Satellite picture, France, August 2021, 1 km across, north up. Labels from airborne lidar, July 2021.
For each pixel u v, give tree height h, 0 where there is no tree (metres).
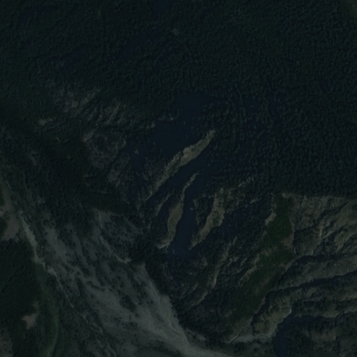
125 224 7
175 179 8
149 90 20
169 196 6
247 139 20
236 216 10
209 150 16
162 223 8
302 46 18
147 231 12
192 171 11
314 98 13
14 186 7
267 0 15
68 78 11
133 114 10
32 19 11
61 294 6
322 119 12
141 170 6
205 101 20
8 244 15
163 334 0
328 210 8
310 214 8
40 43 14
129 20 18
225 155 14
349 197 9
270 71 11
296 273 8
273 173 11
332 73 23
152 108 16
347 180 10
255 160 16
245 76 20
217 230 7
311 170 6
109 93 9
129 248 7
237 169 26
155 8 15
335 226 11
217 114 19
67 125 16
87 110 7
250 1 14
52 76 10
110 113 8
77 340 7
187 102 18
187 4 14
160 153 11
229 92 26
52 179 15
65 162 24
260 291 8
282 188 8
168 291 9
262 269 10
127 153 11
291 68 12
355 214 0
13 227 0
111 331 0
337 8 16
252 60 14
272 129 13
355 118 8
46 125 9
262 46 15
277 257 15
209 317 6
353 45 22
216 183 10
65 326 7
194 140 14
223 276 9
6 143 15
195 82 25
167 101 19
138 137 12
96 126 12
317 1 23
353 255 0
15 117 14
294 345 7
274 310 8
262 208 13
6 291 23
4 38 16
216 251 7
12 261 23
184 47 17
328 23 31
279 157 16
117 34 15
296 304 9
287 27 13
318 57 21
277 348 7
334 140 6
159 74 24
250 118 26
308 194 10
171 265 9
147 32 18
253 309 9
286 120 16
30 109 11
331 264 6
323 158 14
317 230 8
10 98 11
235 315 10
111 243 14
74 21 20
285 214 10
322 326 8
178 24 12
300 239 14
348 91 14
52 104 9
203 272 9
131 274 7
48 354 0
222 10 10
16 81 12
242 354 7
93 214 8
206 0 11
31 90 8
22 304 27
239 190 8
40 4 21
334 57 22
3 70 13
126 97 16
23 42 9
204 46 13
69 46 18
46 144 17
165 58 12
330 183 9
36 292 22
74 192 8
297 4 21
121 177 8
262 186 20
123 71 19
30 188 6
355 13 0
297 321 8
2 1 25
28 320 0
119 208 20
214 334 11
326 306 8
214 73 9
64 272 0
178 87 22
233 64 17
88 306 8
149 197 18
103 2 21
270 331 0
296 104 14
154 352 0
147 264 13
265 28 6
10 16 19
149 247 14
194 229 7
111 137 11
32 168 21
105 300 0
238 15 8
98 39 20
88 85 11
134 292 0
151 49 18
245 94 16
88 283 7
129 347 0
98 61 21
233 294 6
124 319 0
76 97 7
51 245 0
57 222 9
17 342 18
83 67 21
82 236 7
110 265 8
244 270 12
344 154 9
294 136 19
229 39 20
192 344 0
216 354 0
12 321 20
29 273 16
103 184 19
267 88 18
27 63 21
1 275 22
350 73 19
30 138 22
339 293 6
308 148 12
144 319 0
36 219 6
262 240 12
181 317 15
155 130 16
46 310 6
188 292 6
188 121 10
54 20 19
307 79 9
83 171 18
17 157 16
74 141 19
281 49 8
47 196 18
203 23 17
